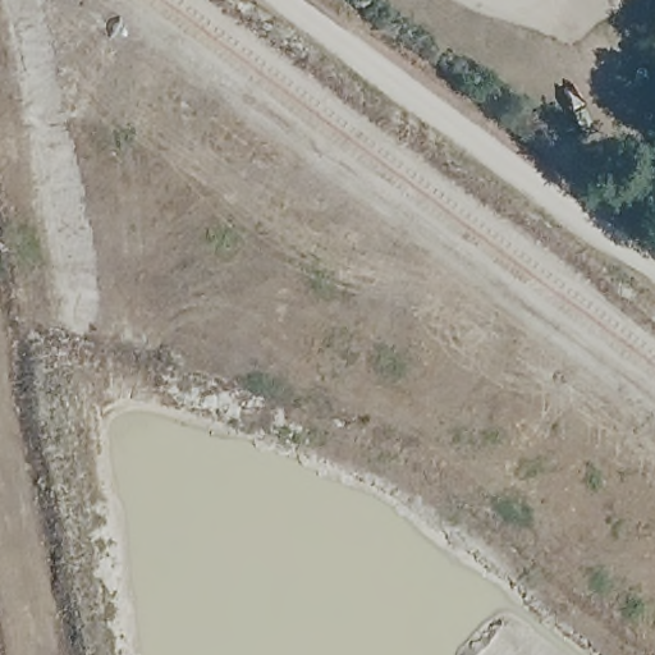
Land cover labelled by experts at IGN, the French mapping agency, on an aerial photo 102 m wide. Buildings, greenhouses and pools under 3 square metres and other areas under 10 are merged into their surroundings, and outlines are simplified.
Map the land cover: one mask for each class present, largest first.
<instances>
[{"label":"herbaceous vegetation","instance_id":"1","mask_svg":"<svg viewBox=\"0 0 655 655\"><path fill-rule=\"evenodd\" d=\"M133 0H43L41 13L46 33L51 38L54 79L59 84L61 100L59 110L67 120L64 130L74 143L79 182L84 187V212L92 228V246L97 261L95 320L90 322L87 333H72L61 322V297L54 289L51 256L43 243V217L36 215V210L31 207L36 197L31 171V123L23 120L20 84L10 79L5 72L0 74V258L15 264V284L8 292L23 307L18 322L31 340L38 425L46 427V432H41V440L54 476V489L59 494V517L67 530L61 568L72 571V599L79 609L77 629L84 640V655H123L120 650H115V635L110 629V622L115 619V591H110L102 578L95 576L97 563L105 555V548H113V540H92V532L105 525V517L97 514V501L105 496L97 484L95 466V458L100 455L97 422L110 417V402L123 397H156L164 407L217 420L241 432L261 430L269 440L284 448L297 445L307 453L317 450L320 458H328L353 471L366 468L368 473L391 481L399 491L422 496V501L438 512L440 519H445L448 525L466 527L473 537L484 540L501 558H507L512 571L522 578V583L540 591L542 604L550 609V614L555 617L558 632L573 640L581 650H588L591 655H655V391L619 366L612 371L617 376V386H606L586 366L573 363L568 353L560 351L555 343L535 335L532 330H525V325L517 317H512L501 304H496L484 287L466 281L458 271L435 258L427 248L417 246L409 238L407 228L391 225L376 210L351 197L348 189L325 179L292 146H281L274 138H264V133L251 130L248 123L230 110V105L220 97L215 87L189 84L184 79L179 59H171L169 54L148 46L141 38V31L133 23L130 10ZM376 343L397 348L399 361L407 368L402 379L374 374V368L368 366V353H374ZM246 374H269L276 379H287L299 394L302 407L284 412L274 402L253 397L251 391L241 389L246 384ZM507 489H517L522 496H527V504L532 509L530 527L509 525L491 509V496H501ZM591 565L601 568L606 576H614V581L624 576L632 586H640L637 599L642 601V609L637 617L627 619L622 617V609L617 604L591 599L594 588L588 586L586 576ZM220 8L223 15L253 31L269 49L284 54L304 74H312L340 102L368 118L386 136H394L399 143L420 154L432 169H438L445 179L455 182L466 194L478 200L484 207H491L499 217L517 225L532 241L542 243L550 253H555L573 271H578L599 294H604V299L612 302L622 315L632 317L640 328L655 335V281H650L642 271L612 258L609 253L578 238L563 223H558L545 207L532 202L525 192L504 182L501 177H496L489 166L466 154L445 133L427 125L420 115L394 102L376 84L361 77L356 69H351L340 56L330 54L317 38L304 33L289 18L279 15L264 0H210ZM312 8L330 15L338 26L366 38L376 51L399 64L430 92L448 100L458 113L484 125L494 138H499L501 143L512 141L509 136L496 123L478 110L468 97H461L455 92L443 79H438L435 69L414 51L384 46L389 36H397V26L371 28L358 18V13H353L348 0H307ZM389 8L432 31L438 49H450L455 56L473 59L507 84L514 95H519L537 97L542 105L550 102L558 110H568L573 105L578 123L586 130V143L596 141L640 136V128L645 123V100L655 90V0H624L619 10L594 23L581 38L560 41L558 36L542 33L530 26L476 13L455 0H386ZM647 215L645 200L622 205L619 210L612 205H599L588 215L596 223V228H601L614 243L637 248L647 238V230L642 228ZM18 340L13 338L10 328L0 333V655H61L56 624L61 622V617L51 596L49 550L38 517V496L31 489V468L26 463V445L18 422L20 409L15 404Z\"/></svg>","mask_w":655,"mask_h":655},{"label":"pervious surface","instance_id":"2","mask_svg":"<svg viewBox=\"0 0 655 655\"><path fill-rule=\"evenodd\" d=\"M43 0H0V74L5 72L10 79L20 84L23 120L31 123V171L36 197L31 207L36 210V215L43 217V243L51 256L54 289L61 297V322L72 333H87L90 322L95 320L97 261L92 246V228L84 212V187L79 182L74 143L64 130L67 120L59 110L61 100L59 84L54 79L51 38L46 33L41 13ZM130 10L133 23L141 31V38L148 46L169 54L171 59H179L184 79L189 84L215 87L220 97L230 105V110L248 123L251 130L264 133V138H274L281 146H292L325 179L348 189L351 197L376 210L391 225L407 228L409 238L417 246L427 248L435 258L458 271L466 281L484 287L496 304H501L512 317H517L525 325V330H532L535 335L555 343L560 351L568 353L573 363L586 366L606 386H617V376L612 371L619 366L655 391V335L640 328L632 317L622 315L612 302L604 299V294H599L578 271H573L555 253H550L542 243L532 241L517 225L499 217L491 207H484L478 200L466 194L455 182L445 179L438 169H432L420 154L399 143L394 136H386L368 118L340 102L312 74H304L284 54L269 49L253 31L223 15L220 8L210 0H133ZM279 15L289 18L304 33L317 38L330 54L340 56L351 69H356L361 77L376 84L394 102L420 115L427 125L445 133L466 154L489 166L496 177H501L504 182L525 192L532 202L545 207L558 223H563L578 238L609 253L612 258L642 271L650 281H655V258L637 248L614 243L601 228H596V223L588 215L581 210L578 202L568 192L550 184L527 156L517 151L512 141L501 143L499 138H494L484 125L458 113L448 100L430 92L399 64L376 51L366 38L338 26L330 15L312 8L307 0H264ZM476 13L530 26L542 33L558 36L560 41L581 38L594 23L619 10L624 0H455ZM110 417L97 422L100 455L95 458V466L97 484L105 496L97 501V514L105 517V525L92 532V540H113V548H105V555L97 563L95 576L102 578L110 591H115V619L110 622V629L115 635V650H120L123 655H141L136 640L133 588L128 583L125 509L115 489L110 461V430L120 420H128L130 412H151L228 438L253 440L256 448L264 453L294 455L302 461L304 468L317 471L320 476L335 478L353 489H363L366 494H374L391 504L399 517H407L443 553L478 573L484 581L499 586L512 601L522 599L535 622H542V617L550 614V609L542 604L540 591L522 583V578L512 571L507 558H501L484 540L473 537L466 527L448 525L445 519H440L438 512L422 501V496L399 491L391 481L368 473L366 468L353 471L328 458H320L317 450L307 453L297 445L284 448L269 440L261 430L241 432L217 420L164 407L156 397H123L110 402ZM455 655H563L532 629V622L512 627L501 624V619H491L473 632V637H466L458 645Z\"/></svg>","mask_w":655,"mask_h":655},{"label":"water","instance_id":"3","mask_svg":"<svg viewBox=\"0 0 655 655\"><path fill-rule=\"evenodd\" d=\"M110 461L115 489L125 509L128 583L133 588L136 640L141 655H455L458 645L466 637H473V632L491 619H501V624L512 627L532 622V629L563 655H591L588 650H581L573 640L558 632L555 617L550 614L542 617V622H535L522 599L512 601L499 586L484 581L478 573L443 553L407 517H399L391 504L374 494H366L363 489H353L335 478L320 476L317 471L304 468L302 461L294 455L264 453L256 448L253 440L228 438L151 412H130L128 420H120L110 430Z\"/></svg>","mask_w":655,"mask_h":655},{"label":"brushwood","instance_id":"4","mask_svg":"<svg viewBox=\"0 0 655 655\"><path fill-rule=\"evenodd\" d=\"M353 13H358V18L371 28L397 26V36H389L384 46L414 51L435 69L438 79H443L455 92L463 84V77L453 67L455 56L450 49H438L432 31L389 8L386 0H348ZM478 110L496 123L504 113L519 110V95H514L507 84L499 95H491L486 102H481ZM540 118L548 123V128L535 130L530 141L517 133L509 136L512 141L517 151L527 156L550 184L568 192L578 202L594 184L588 179V171L599 164L601 146L596 141L586 143V130L578 123L573 105L568 110H558L550 102L542 105ZM15 284V264L0 258V333L10 328L13 338L18 340L15 404L20 409L18 422L26 445V463L31 468V489L38 496V517L49 550L51 596L61 617V622L56 624L61 655H84V640L77 629L79 609L72 599V571L61 568L67 530L59 517V494L54 489V476L41 440V432H46V427L38 425L31 340L18 322L23 307L8 292ZM368 366L374 368V374L402 379L407 368L399 361L397 348L376 343L374 353H368ZM241 389L251 391L253 397L274 402L284 412L302 407L299 394L287 379H276L269 374H246V384ZM491 509L509 525L530 527L532 509L527 504V496H522L517 489H507L501 496H491ZM586 576L588 586L594 588L591 599L617 604L622 609V617L627 619L637 617L642 609V601L637 599L640 586H632L624 576L614 581V576H606L601 568L591 565Z\"/></svg>","mask_w":655,"mask_h":655},{"label":"deciduous trees","instance_id":"5","mask_svg":"<svg viewBox=\"0 0 655 655\"><path fill-rule=\"evenodd\" d=\"M453 67L463 77V84L455 92L461 97H468L478 110L481 102H486L491 95H499L507 84L473 59L455 56ZM645 123L640 128V136L596 141L601 146L599 164L588 171V179L594 184L578 202L581 210L588 215L599 205H612L619 210L622 205L645 200L647 215L642 228L647 230V238L637 248L655 258V90L645 100ZM542 105L537 97L519 95V110L504 113L496 123L509 136L517 133L530 141L535 130L548 128V123L540 118Z\"/></svg>","mask_w":655,"mask_h":655}]
</instances>
